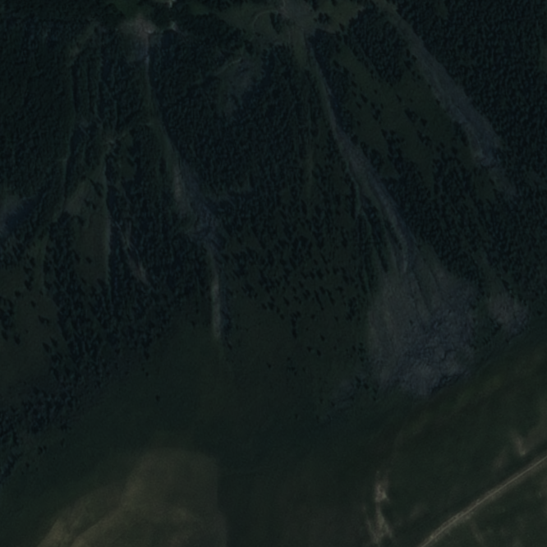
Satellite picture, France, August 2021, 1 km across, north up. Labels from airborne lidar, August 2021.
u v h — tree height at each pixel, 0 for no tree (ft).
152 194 51
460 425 0
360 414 0
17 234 58
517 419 0
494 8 55
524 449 0
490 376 0
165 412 0
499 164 0
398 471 0
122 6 0
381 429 0
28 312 0
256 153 36
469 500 0
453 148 0
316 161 0
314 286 0
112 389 0
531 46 29
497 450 0
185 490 0
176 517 0
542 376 0
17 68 53
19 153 35
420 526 0
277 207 41
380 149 0
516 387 0
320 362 0
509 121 48
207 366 0
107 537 0
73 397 27
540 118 49
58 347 50
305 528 0
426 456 0
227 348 0
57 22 39
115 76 37
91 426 0
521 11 41
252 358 0
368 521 0
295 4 0
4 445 37
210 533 0
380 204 0
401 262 0
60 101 69
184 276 60
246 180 37
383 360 0
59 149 50
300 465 0
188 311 0
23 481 0
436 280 0
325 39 58
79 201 0
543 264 20
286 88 59
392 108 0
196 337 0
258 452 0
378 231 41
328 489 0
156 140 50
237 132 40
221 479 0
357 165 0
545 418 0
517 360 0
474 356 0
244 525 0
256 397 0
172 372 0
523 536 0
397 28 19
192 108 60
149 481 0
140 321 24
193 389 0
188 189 0
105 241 0
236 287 0
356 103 0
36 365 0
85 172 34
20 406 0
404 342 0
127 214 47
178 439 0
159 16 48
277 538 0
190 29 31
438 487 0
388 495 0
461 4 26
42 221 40
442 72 0
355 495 0
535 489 0
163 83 51
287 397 0
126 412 0
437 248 38
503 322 0
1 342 0
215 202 0
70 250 56
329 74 58
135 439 0
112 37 46
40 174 42
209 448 0
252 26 0
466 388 0
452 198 37
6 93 60
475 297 0
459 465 0
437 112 0
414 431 0
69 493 0
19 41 55
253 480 0
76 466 0
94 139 53
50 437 0
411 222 52
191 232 0
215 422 0
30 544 0
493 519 0
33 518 0
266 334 0
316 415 0
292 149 45
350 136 33
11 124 55
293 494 0
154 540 0
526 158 33
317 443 0
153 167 57
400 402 0
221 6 36
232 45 57
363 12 0
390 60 49
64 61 52
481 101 23
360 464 0
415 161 0
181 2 31
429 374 0
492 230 41
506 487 0
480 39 52
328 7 0
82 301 45
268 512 0
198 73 35
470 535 0
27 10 77
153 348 34
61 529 0
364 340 0
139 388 0
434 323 0
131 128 47
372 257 32
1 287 0
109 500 0
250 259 36
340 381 0
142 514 0
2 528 0
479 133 0
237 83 0
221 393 0
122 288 64
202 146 30
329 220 40
